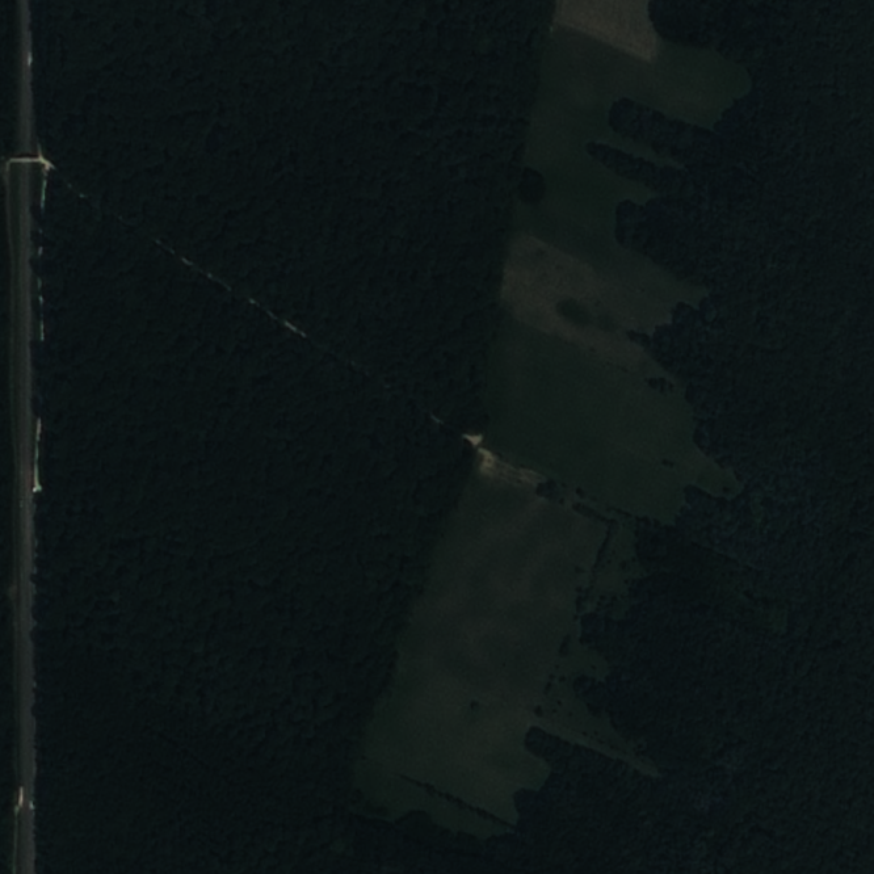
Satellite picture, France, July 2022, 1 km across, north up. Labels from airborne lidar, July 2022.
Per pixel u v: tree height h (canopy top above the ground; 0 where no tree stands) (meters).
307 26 24
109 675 24
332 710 21
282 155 23
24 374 0
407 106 27
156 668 22
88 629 26
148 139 28
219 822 25
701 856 21
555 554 0
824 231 24
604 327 0
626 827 16
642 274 0
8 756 21
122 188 27
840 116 18
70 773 25
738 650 18
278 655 32
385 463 32
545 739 14
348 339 25
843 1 22
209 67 30
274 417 17
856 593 15
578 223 0
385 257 27
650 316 0
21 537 0
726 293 22
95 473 28
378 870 22
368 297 20
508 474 0
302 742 26
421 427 30
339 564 30
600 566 5
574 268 0
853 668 18
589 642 17
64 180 24
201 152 25
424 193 21
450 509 25
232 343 20
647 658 19
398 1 24
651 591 9
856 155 18
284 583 26
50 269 28
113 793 25
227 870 26
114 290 27
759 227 24
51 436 27
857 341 20
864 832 18
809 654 21
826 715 12
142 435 24
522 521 0
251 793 25
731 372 21
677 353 18
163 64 30
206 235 22
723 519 20
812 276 17
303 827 26
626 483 0
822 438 18
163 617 19
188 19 26
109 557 23
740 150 28
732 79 0
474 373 12
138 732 22
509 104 23
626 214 21
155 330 24
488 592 0
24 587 0
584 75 0
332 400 26
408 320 22
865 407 19
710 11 26
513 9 19
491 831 0
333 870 26
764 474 19
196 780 23
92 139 30
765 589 13
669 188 22
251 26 25
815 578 21
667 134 18
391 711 0
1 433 19
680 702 20
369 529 29
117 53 25
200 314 22
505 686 0
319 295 28
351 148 24
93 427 24
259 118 25
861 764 18
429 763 0
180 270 23
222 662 28
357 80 16
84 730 23
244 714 9
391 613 18
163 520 24
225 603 20
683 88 0
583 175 0
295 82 25
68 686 22
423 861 19
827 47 20
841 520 17
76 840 22
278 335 21
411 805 0
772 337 19
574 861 22
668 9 24
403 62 24
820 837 18
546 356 0
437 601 0
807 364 22
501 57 25
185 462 28
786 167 18
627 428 0
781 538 21
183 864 27
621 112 20
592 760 21
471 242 30
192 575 30
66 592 25
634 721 20
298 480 29
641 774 12
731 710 21
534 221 0
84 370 25
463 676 0
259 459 27
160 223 26
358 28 18
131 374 20
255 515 26
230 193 26
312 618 26
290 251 22
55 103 23
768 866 17
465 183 27
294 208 26
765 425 20
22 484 0
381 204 21
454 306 30
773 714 21
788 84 17
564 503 7
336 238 20
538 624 0
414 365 25
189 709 21
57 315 28
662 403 0
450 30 26
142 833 22
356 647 26
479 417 24
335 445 29
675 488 0
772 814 19
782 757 19
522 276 0
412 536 23
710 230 26
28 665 0
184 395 27
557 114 0
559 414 0
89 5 26
